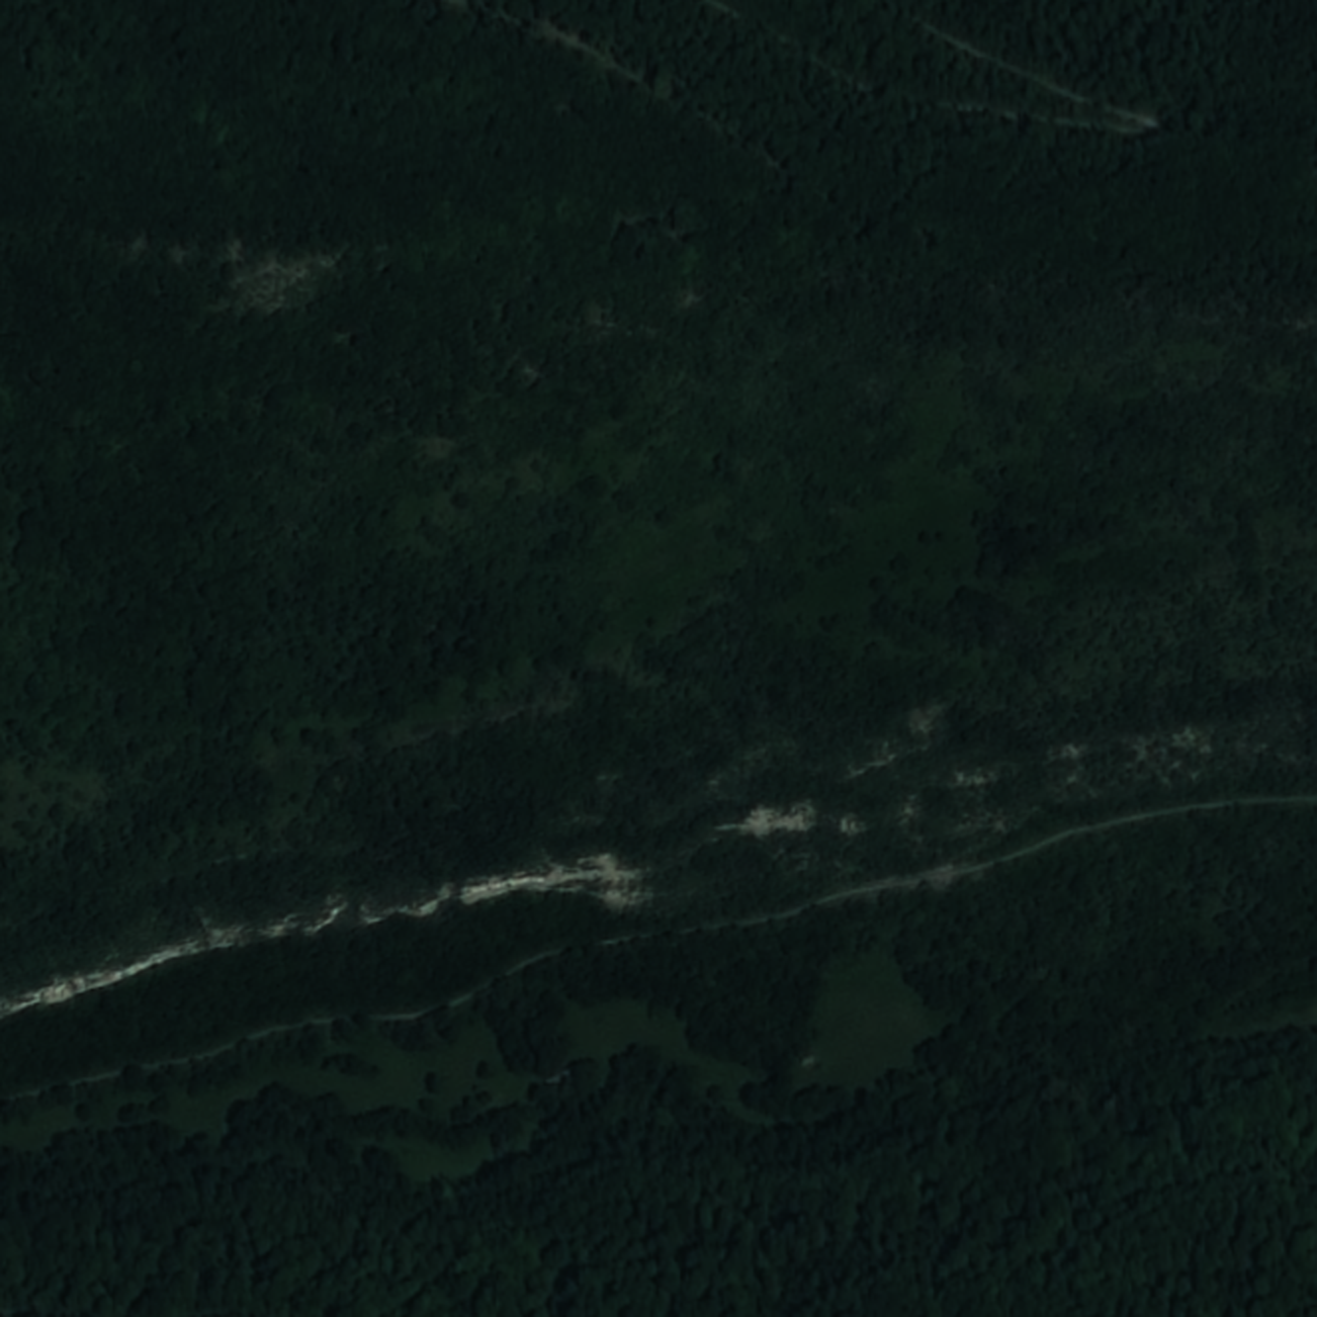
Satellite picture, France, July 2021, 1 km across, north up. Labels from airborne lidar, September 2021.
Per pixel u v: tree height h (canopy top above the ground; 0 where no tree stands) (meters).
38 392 23
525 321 18
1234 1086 28
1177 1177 29
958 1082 20
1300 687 13
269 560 12
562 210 22
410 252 13
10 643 15
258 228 17
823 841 6
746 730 13
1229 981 16
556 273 21
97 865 12
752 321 6
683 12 29
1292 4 19
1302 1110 27
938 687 12
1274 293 14
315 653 16
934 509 0
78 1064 12
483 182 20
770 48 20
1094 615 12
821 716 8
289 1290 30
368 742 17
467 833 17
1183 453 12
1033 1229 36
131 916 10
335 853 8
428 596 18
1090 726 9
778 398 6
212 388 22
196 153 22
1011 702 13
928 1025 0
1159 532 11
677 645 15
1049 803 8
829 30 19
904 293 12
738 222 26
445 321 18
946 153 20
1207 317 9
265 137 26
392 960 15
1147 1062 12
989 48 7
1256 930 19
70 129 21
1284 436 9
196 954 10
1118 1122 23
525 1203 21
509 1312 34
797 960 18
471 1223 26
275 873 14
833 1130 25
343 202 27
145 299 23
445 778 10
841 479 7
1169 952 8
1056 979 8
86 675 13
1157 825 8
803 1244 31
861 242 26
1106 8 26
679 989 21
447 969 18
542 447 9
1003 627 9
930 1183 34
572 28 24
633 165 24
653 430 8
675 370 6
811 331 6
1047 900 11
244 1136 26
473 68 26
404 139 22
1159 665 12
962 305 8
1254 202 28
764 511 6
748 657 15
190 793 16
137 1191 22
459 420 15
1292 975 7
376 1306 29
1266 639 10
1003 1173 29
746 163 25
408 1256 32
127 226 16
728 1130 28
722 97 27
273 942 12
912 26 13
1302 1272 28
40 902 11
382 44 27
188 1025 13
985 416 6
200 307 17
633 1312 29
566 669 12
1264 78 20
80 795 6
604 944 7
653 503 6
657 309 6
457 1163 0
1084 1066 17
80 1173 16
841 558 9
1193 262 21
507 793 17
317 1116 25
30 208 18
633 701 11
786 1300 16
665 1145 14
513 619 19
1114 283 16
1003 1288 28
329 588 8
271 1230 26
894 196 28
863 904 12
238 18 24
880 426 7
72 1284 27
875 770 11
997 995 18
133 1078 18
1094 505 8
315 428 12
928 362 11
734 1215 34
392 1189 21
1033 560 16
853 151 23
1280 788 8
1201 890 19
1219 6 18
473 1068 0
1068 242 26
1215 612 8
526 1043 18
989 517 8
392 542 8
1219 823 14
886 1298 24
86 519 21
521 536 7
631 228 28
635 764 11
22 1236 29
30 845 7
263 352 18
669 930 8
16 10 22
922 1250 9
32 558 20
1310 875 16
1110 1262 29
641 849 15
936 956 15
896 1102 11
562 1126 25
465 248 15
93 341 20
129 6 19
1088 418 8
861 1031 0
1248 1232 29
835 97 24
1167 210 30
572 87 27
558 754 8
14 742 15
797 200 26
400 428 18
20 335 21
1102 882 8
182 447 21
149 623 26
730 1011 21
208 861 24
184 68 21
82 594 16
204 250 12
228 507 18
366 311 21
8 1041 8
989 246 24
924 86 13
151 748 9
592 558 9
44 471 19
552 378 12
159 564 11
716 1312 30
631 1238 17
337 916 9
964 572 7
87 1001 8
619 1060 18
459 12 25
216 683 21
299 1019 17
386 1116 24
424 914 6
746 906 13
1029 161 25
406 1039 21
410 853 15
